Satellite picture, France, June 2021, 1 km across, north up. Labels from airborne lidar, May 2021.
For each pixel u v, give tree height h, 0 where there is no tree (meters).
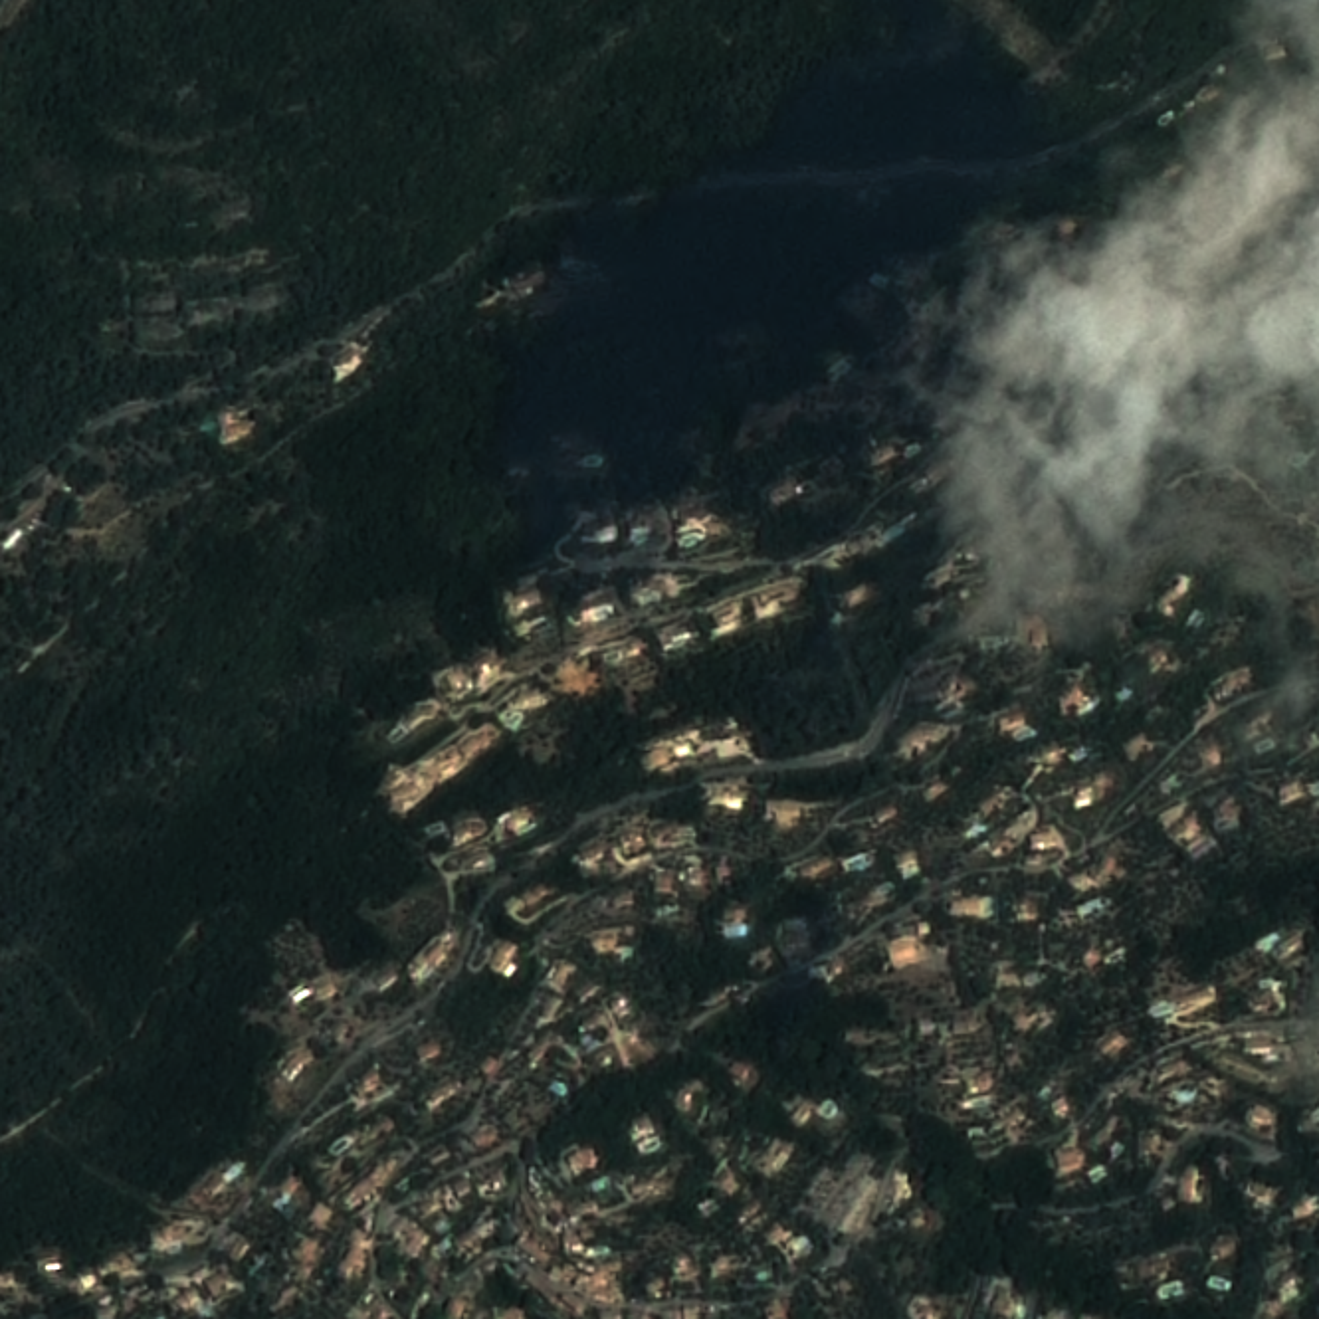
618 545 7
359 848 13
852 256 16
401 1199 6
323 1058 9
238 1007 14
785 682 15
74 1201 10
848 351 13
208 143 6
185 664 13
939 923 9
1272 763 5
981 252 11
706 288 16
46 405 12
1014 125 7
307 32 9
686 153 11
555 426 16
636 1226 6
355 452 16
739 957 9
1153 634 6
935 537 10
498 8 9
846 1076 16
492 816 12
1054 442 6
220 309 0
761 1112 11
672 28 7
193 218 7
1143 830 7
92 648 9
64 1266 9
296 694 7
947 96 8
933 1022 7
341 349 8
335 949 14
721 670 15
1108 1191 14
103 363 9
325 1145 10
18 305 16
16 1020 7
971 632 8
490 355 12
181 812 10
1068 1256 8
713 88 15
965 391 11
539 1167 6
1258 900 9
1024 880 6
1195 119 9
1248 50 9
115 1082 11
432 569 15
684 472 12
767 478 9
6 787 23
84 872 11
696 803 18
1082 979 13
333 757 18
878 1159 12
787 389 13
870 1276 8
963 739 7
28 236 10
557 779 12
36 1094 7
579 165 15
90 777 17
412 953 7
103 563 7
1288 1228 5
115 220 8
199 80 9
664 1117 10
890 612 16
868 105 11
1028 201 10
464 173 7
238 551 16
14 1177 11
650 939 8
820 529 9
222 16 8
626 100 16
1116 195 8
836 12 8
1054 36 8
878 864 11
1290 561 6
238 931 11
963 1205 22
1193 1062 12
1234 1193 9
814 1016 13
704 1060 10
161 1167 13
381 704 14
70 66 9
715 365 11
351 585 15
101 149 10
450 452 14
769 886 12
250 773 17
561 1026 7
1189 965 9
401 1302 11
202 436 8
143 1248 8
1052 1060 8
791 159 10
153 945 11
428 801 9
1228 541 19
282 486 13
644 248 13
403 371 11
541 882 9
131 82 6
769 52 10
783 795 14
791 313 14
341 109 8
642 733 18
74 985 7
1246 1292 9
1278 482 9
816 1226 9
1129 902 8
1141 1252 12
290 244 6
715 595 13
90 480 11
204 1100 16
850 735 21
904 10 6
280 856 13
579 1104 12
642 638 13
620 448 11
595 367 18
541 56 7
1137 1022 5
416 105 6
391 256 8
